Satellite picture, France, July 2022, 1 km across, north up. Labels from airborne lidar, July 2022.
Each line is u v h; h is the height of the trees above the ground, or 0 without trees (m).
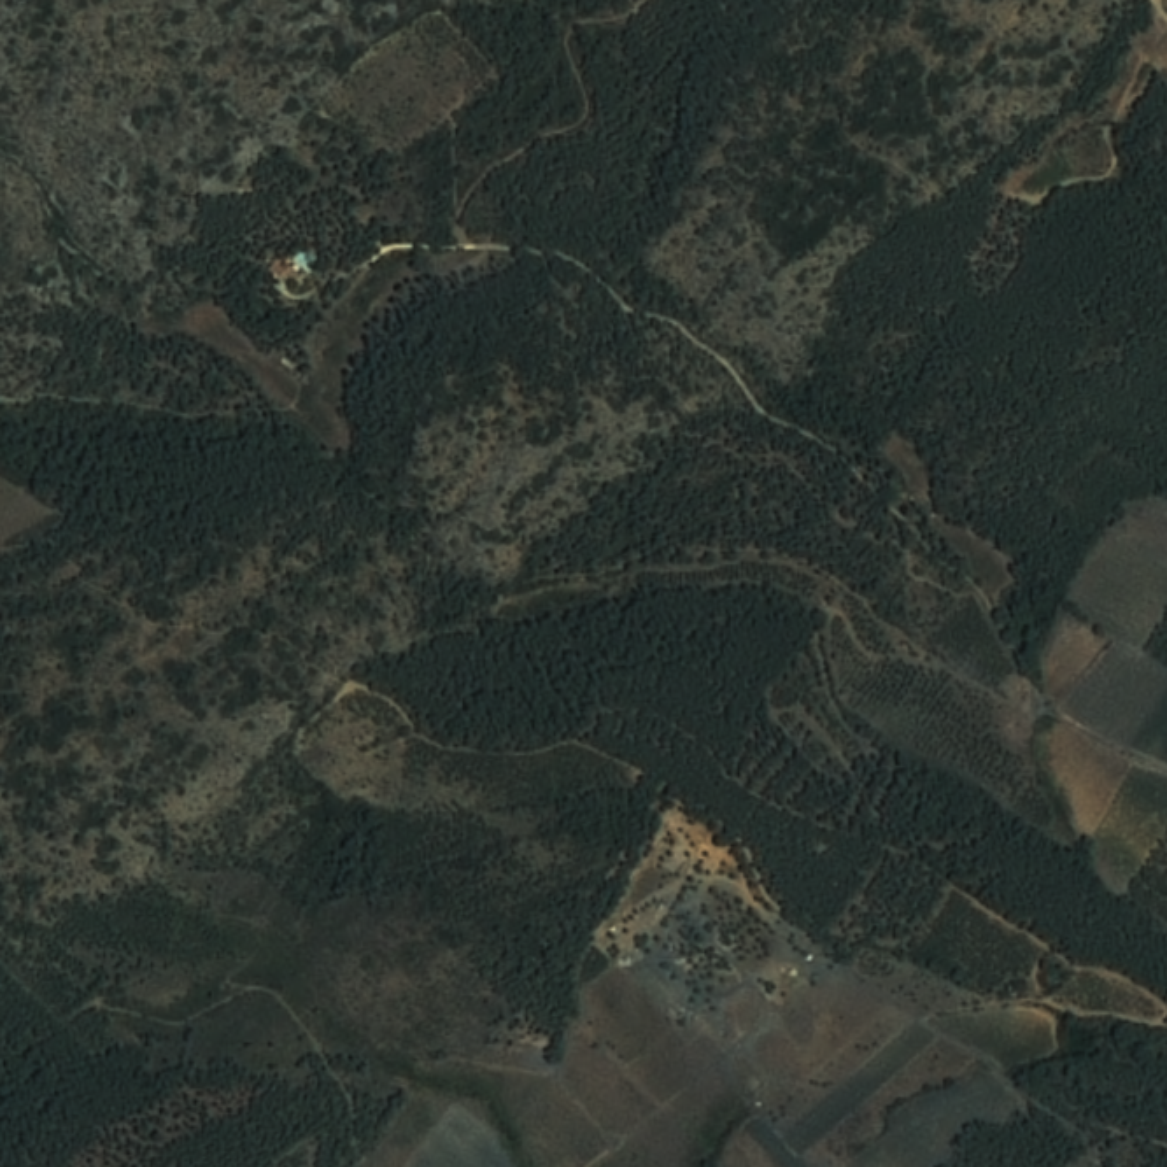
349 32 0
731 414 12
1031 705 0
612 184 10
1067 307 9
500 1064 0
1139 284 11
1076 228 9
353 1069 12
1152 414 10
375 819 13
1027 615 15
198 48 0
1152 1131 11
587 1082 0
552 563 16
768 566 6
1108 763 0
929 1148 0
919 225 10
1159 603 0
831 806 12
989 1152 9
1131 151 10
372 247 13
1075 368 10
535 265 13
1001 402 8
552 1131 0
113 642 0
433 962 0
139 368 10
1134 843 0
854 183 0
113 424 7
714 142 10
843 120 7
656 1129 0
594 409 0
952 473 8
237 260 7
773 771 14
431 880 7
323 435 0
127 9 0
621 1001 0
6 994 7
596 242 14
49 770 0
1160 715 0
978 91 0
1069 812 0
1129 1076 10
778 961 0
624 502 15
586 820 10
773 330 0
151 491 7
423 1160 0
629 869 12
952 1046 0
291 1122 10
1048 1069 10
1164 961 13
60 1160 8
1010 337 12
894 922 9
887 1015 0
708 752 12
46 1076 14
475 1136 0
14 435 14
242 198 7
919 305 13
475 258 0
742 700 14
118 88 0
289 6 0
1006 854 13
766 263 0
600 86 12
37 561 9
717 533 13
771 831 10
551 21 15
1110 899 14
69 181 0
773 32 6
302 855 8
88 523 9
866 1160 0
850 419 18
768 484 13
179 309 6
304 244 12
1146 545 0
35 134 0
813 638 8
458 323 11
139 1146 12
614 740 13
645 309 7
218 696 0
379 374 14
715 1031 0
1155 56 0
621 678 12
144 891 8
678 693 12
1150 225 12
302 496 13
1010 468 8
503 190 14
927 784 13
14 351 7
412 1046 0
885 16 7
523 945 11
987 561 0
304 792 6
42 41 0
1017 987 8
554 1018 10
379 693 6
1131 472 7
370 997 0
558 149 13
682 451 10
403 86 0
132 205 0
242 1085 10
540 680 15
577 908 13
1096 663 0
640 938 9
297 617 6
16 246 0
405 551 8
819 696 6
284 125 0
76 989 8
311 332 14
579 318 6
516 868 7
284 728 0
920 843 12
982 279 11
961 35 7
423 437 0
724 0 12
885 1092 0
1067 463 12
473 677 13
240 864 7
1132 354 11
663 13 10
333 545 13
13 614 7
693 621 11
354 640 0
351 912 0
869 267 9
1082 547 9
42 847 0
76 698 7
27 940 6
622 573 6
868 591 12
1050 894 15
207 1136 9
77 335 13
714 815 12
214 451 17
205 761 0
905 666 5
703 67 11
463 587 14
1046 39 0
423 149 6
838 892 11
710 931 8
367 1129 12
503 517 0
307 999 0
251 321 12
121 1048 11
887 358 9
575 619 13
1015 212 11
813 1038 0
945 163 0
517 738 8
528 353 9
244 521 10
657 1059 0
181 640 0
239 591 0
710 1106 0
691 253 0
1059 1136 11
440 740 9
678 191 8
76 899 6
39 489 15
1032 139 8
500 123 6
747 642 13
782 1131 0
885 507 15
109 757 0
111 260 0
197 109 0
